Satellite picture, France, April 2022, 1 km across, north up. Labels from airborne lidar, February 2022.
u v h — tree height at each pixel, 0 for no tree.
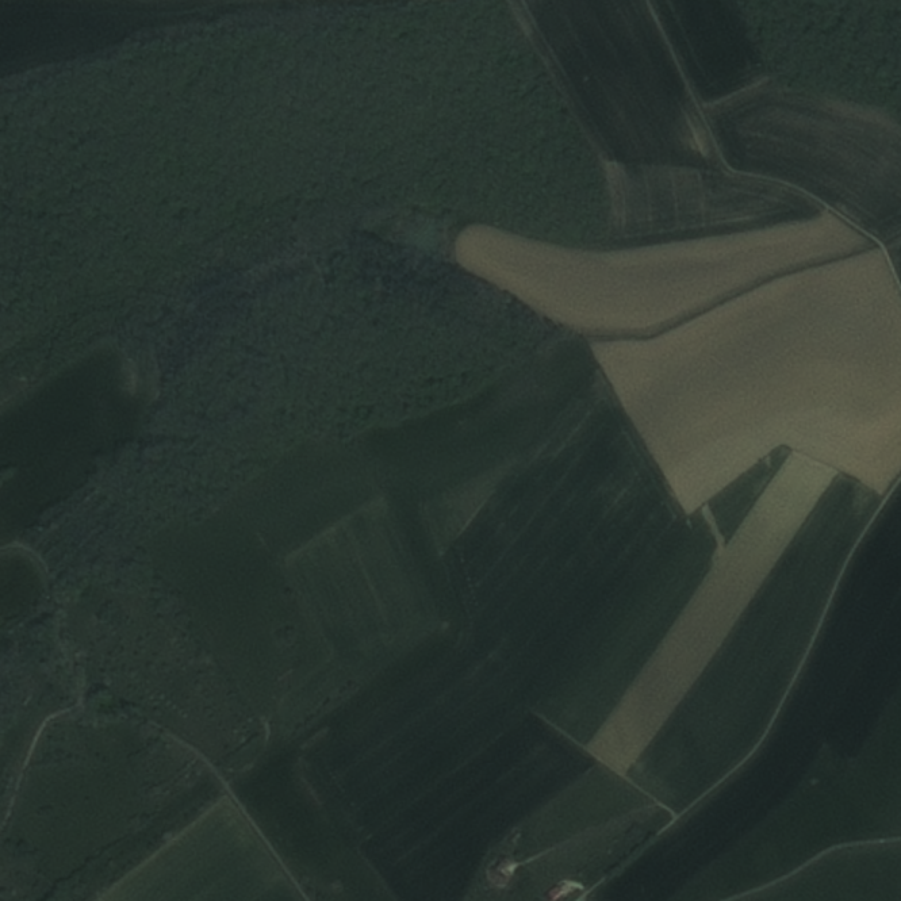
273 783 0
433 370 25
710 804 0
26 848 10
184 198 26
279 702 0
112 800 0
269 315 29
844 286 0
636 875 0
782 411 0
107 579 19
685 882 0
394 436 0
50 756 7
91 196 26
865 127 0
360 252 28
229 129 23
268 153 24
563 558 0
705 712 0
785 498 0
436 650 0
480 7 21
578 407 0
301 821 0
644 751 0
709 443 0
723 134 0
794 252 0
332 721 0
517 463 0
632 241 0
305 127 26
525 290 0
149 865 0
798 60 23
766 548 0
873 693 0
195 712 0
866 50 25
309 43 24
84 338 8
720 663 0
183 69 25
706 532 0
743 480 0
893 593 0
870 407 0
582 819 0
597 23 0
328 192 22
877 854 0
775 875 0
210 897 0
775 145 0
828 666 0
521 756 0
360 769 0
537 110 24
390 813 0
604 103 0
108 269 22
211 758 0
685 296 0
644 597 0
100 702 19
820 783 0
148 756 7
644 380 0
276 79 29
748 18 17
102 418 0
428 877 0
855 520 0
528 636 0
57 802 0
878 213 0
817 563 0
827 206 0
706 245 0
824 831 0
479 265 0
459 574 0
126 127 27
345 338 26
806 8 16
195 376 31
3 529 0
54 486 0
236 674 0
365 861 0
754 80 0
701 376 0
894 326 0
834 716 0
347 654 0
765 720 0
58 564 10
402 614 0
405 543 0
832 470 0
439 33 24
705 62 0
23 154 27
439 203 15
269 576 0
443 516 0
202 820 0
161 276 10
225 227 19
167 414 26
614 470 0
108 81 26
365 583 0
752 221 0
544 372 0
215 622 0
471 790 0
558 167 25
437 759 0
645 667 0
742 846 0
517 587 0
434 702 0
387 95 26
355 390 26
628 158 0
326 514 0
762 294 0
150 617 0
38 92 22
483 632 0
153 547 0
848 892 0
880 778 0
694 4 0
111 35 0
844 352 0
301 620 0
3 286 27
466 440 0
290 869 0
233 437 27
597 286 0
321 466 0
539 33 0
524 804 0
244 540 0
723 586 0
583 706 0
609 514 0
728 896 0
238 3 0
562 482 0
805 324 0
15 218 31
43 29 0
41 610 10
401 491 0
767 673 0
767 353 0
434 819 0
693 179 0
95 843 0
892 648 0
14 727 17
